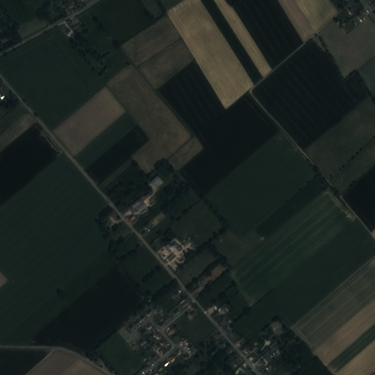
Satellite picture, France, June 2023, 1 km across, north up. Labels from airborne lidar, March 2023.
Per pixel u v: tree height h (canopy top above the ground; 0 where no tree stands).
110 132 0
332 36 0
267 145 0
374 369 0
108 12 0
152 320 0
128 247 0
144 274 0
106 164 0
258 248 0
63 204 0
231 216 0
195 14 0
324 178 9
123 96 0
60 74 0
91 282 0
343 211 0
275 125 0
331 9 0
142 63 0
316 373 0
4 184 0
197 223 0
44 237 0
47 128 0
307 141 0
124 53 0
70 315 0
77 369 0
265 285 0
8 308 0
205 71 0
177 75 0
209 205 14
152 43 0
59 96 0
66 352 0
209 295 0
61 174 0
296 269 0
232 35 0
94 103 0
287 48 0
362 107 0
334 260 0
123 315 0
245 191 0
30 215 0
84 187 0
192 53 0
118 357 0
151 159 0
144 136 0
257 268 0
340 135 0
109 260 0
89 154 0
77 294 0
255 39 0
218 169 0
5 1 0
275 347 0
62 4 8
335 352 0
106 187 0
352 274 0
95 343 0
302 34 0
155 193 0
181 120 0
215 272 0
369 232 0
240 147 0
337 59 0
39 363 0
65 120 0
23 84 0
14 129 0
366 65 0
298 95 0
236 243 0
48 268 0
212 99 0
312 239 0
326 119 0
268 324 7
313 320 0
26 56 0
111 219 0
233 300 0
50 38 0
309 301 0
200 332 0
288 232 0
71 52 0
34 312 0
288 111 0
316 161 0
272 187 0
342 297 0
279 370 0
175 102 0
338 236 0
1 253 0
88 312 0
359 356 0
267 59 0
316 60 0
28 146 0
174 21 0
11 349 0
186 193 29
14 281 0
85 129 0
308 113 0
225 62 0
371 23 0
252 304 0
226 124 0
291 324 0
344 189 0
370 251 0
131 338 0
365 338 0
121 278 0
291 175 0
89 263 0
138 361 0
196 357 11
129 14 0
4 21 23
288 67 0
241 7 0
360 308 0
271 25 0
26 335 0
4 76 0
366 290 0
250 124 0
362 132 0
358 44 0
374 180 0
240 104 0
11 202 0
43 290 0
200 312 0
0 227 0
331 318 0
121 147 0
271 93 0
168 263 0
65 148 0
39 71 0
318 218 0
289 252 0
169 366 0
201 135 0
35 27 0
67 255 0
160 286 0
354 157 7
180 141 0
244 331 0
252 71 0
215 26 0
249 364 0
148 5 0
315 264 0
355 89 0
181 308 0
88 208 0
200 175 0
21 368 0
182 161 0
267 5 0
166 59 0
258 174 0
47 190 0
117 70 0
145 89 0
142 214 0
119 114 0
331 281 0
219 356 18
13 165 0
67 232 0
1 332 0
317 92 0
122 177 0
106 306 0
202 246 10
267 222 0
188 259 11
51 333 0
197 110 0
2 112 0
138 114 0
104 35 0
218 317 5
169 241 14
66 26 0
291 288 0
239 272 0
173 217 13
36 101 0
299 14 0
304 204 0
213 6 0
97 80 0
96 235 0
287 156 0
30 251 0
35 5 0
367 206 0
